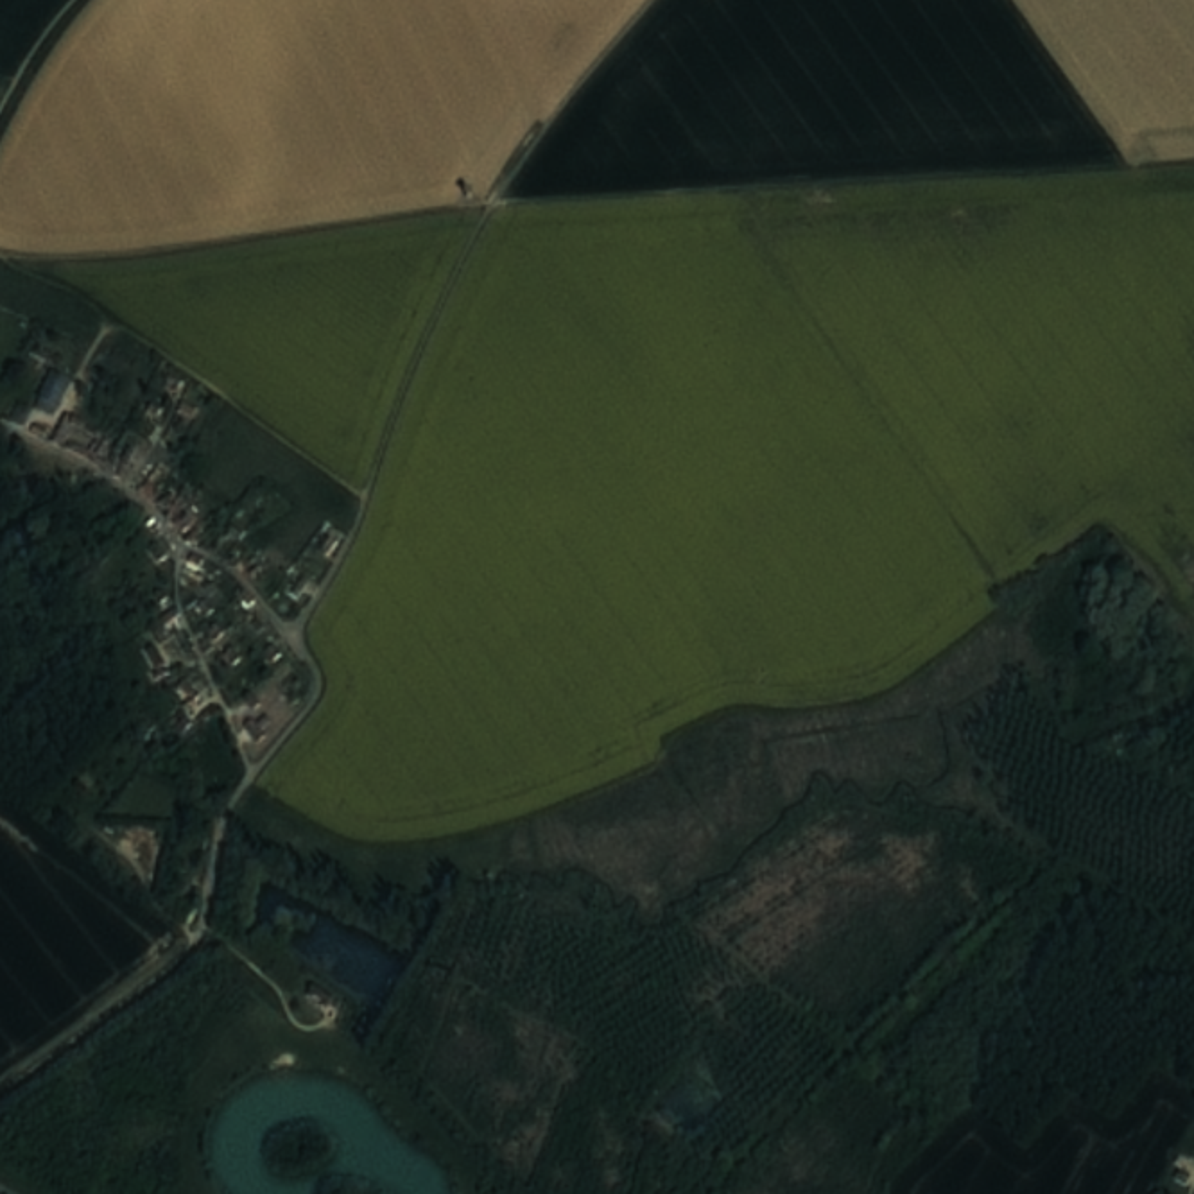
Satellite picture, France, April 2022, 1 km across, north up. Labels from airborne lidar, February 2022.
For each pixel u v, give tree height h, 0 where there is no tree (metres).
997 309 0
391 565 0
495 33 0
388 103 0
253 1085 0
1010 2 0
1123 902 8
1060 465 0
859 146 0
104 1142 15
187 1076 8
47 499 29
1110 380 0
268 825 0
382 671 0
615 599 0
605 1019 6
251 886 22
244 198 0
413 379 0
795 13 0
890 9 0
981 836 7
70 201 0
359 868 0
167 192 0
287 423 0
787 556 0
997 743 26
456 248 0
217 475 0
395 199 0
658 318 0
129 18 0
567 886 0
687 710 0
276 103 0
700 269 0
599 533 0
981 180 0
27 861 0
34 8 0
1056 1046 30
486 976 7
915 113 0
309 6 0
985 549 0
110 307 0
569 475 0
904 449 0
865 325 0
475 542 0
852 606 0
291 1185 0
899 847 0
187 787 11
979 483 0
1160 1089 0
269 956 0
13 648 30
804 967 0
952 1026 15
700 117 0
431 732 0
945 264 0
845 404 0
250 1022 0
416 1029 0
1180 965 31
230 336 0
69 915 0
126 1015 13
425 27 0
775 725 0
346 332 0
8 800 31
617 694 0
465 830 0
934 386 0
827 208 0
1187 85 0
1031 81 0
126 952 0
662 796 0
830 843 0
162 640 0
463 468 0
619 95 0
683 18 0
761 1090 17
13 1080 0
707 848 0
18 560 19
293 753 0
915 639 0
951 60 0
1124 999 33
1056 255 0
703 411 0
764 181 0
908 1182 0
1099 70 0
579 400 0
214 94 0
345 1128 0
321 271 0
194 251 0
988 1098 30
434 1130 0
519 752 0
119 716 31
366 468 0
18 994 0
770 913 0
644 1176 7
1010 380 0
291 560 0
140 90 0
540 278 0
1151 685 28
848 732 0
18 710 28
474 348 0
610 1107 6
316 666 0
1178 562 0
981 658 0
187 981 16
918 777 0
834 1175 0
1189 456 0
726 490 0
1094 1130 0
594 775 0
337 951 0
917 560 0
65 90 0
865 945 0
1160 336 0
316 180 0
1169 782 19
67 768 32
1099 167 0
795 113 0
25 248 0
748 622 0
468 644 0
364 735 0
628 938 8
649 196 0
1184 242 0
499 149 0
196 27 0
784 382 0
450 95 0
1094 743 7
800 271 0
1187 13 0
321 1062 0
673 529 0
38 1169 19
